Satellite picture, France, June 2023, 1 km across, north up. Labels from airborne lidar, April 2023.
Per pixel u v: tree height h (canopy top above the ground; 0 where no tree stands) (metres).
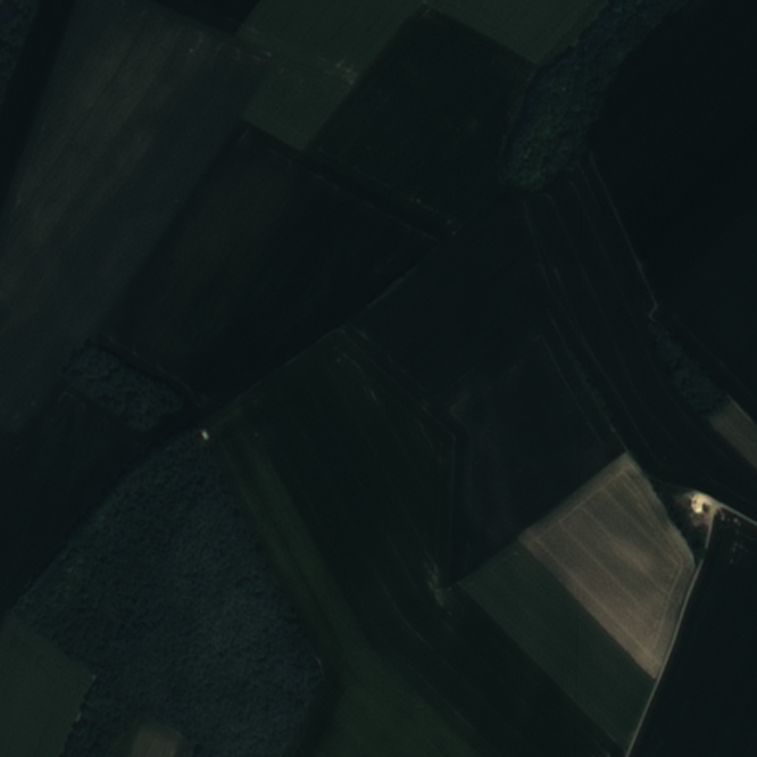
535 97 26
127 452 0
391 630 0
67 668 0
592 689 0
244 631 15
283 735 13
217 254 0
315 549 0
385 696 0
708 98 0
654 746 0
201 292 0
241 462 0
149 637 17
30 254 0
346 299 0
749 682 0
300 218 0
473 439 0
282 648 15
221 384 0
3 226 0
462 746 0
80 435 0
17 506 0
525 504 0
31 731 0
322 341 0
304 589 0
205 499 17
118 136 0
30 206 0
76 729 14
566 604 0
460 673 0
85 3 0
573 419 0
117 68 0
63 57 0
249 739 14
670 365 11
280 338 0
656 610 0
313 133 0
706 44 0
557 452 0
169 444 13
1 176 0
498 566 0
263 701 9
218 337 0
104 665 14
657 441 0
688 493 0
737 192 0
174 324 0
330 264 0
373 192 0
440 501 0
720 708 0
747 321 0
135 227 0
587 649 0
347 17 0
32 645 0
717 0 0
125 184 0
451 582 0
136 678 14
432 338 0
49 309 0
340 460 0
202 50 0
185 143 0
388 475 0
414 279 0
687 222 0
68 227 0
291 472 0
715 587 0
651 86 0
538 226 0
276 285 0
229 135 0
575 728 0
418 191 0
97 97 0
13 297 0
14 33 24
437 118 0
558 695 0
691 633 0
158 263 0
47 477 0
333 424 0
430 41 0
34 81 0
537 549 0
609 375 0
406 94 0
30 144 0
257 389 0
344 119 0
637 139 0
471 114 0
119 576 15
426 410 0
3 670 0
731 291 0
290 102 0
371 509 0
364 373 0
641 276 0
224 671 11
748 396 0
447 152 0
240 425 0
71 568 12
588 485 0
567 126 19
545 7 0
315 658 10
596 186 0
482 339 0
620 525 0
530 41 0
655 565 0
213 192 0
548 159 22
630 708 0
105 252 0
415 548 0
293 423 0
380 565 0
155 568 14
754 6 0
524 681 0
